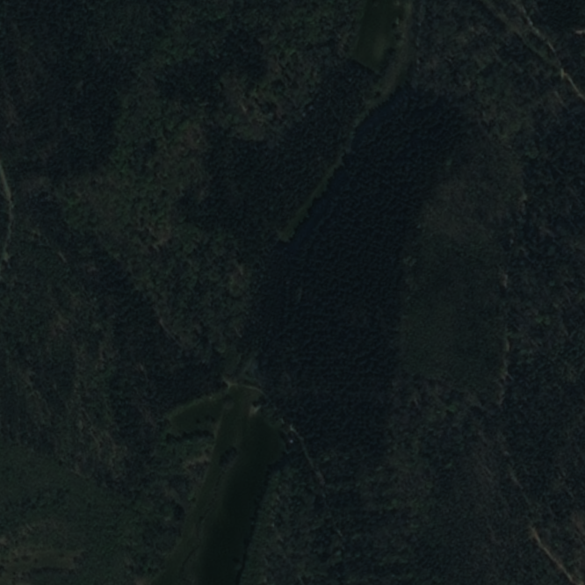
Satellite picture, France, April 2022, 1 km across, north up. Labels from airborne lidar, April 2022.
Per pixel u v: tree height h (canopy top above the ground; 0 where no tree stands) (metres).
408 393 30
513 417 20
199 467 18
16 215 12
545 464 26
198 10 15
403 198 32
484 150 17
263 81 31
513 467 20
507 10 26
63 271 23
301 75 27
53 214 23
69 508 16
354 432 34
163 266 26
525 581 23
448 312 17
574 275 30
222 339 24
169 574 0
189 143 22
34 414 18
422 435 25
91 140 20
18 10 22
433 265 17
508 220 18
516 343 26
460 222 15
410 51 0
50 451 13
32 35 18
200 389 29
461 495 23
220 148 31
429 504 24
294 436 0
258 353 13
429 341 16
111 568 17
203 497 0
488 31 29
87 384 17
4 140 21
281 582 22
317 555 30
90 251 26
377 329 26
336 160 25
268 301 25
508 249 13
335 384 32
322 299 24
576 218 10
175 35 18
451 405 30
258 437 0
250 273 25
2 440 11
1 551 12
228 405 18
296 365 32
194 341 32
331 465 26
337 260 36
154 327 28
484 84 26
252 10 30
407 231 31
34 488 11
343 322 36
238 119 27
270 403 20
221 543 0
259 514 13
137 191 19
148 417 23
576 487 27
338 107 29
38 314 18
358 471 33
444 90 30
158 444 26
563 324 31
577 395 22
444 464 19
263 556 17
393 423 26
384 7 0
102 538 19
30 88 22
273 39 31
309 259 25
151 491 26
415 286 17
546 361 29
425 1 27
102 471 18
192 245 27
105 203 14
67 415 13
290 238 0
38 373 17
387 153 33
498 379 15
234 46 37
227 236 21
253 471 0
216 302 21
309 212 0
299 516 31
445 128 31
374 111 0
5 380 16
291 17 27
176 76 27
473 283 15
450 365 15
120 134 15
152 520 7
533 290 28
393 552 21
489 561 21
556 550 28
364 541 26
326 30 27
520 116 28
